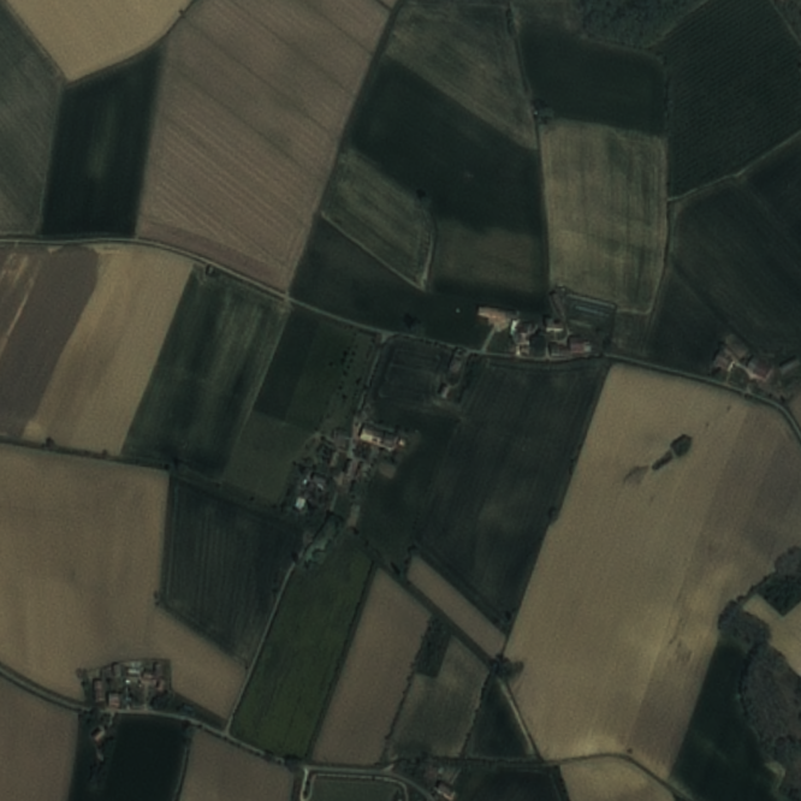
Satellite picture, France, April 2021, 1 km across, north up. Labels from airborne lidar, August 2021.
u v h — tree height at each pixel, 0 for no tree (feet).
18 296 0
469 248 0
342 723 0
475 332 0
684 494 0
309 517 26
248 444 0
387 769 0
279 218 0
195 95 0
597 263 0
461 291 0
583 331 0
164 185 0
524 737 0
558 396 0
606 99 0
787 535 0
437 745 0
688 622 0
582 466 0
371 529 0
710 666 0
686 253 0
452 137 0
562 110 0
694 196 0
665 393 0
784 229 0
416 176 0
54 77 0
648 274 0
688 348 0
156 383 0
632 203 0
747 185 0
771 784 0
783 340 0
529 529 0
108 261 0
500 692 0
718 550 0
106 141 0
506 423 0
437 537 0
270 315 0
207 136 0
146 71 0
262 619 0
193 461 0
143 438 0
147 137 0
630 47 23
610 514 0
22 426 0
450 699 0
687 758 0
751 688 39
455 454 0
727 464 0
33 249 0
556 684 0
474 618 0
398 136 0
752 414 0
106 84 0
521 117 0
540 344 49
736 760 0
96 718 27
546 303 0
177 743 0
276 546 0
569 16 0
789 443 0
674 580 0
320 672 0
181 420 0
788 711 45
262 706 0
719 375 36
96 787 20
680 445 26
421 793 0
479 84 0
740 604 30
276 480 0
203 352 0
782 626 0
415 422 0
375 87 0
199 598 0
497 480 0
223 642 0
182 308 0
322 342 0
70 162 0
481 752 0
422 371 0
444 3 0
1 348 0
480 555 0
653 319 0
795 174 0
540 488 0
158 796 0
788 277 0
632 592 0
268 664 0
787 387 0
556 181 0
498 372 0
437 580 0
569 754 0
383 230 0
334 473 31
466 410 0
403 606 0
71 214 0
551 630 0
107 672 0
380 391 0
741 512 0
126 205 0
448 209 0
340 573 0
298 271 0
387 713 0
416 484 0
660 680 0
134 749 0
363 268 0
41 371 0
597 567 0
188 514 0
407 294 0
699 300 0
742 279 0
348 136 0
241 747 23
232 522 0
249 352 0
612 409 0
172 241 0
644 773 0
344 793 0
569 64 0
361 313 0
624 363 0
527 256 0
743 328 0
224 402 0
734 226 0
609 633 0
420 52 0
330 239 0
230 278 0
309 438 0
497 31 0
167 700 31
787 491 0
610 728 0
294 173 0
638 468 0
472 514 0
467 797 0
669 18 57
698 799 0
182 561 0
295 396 0
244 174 0
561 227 0
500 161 0
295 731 0
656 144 0
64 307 0
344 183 0
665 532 0
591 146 0
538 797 0
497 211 0
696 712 0
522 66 0
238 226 0
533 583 0
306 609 0
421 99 0
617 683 0
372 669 0
